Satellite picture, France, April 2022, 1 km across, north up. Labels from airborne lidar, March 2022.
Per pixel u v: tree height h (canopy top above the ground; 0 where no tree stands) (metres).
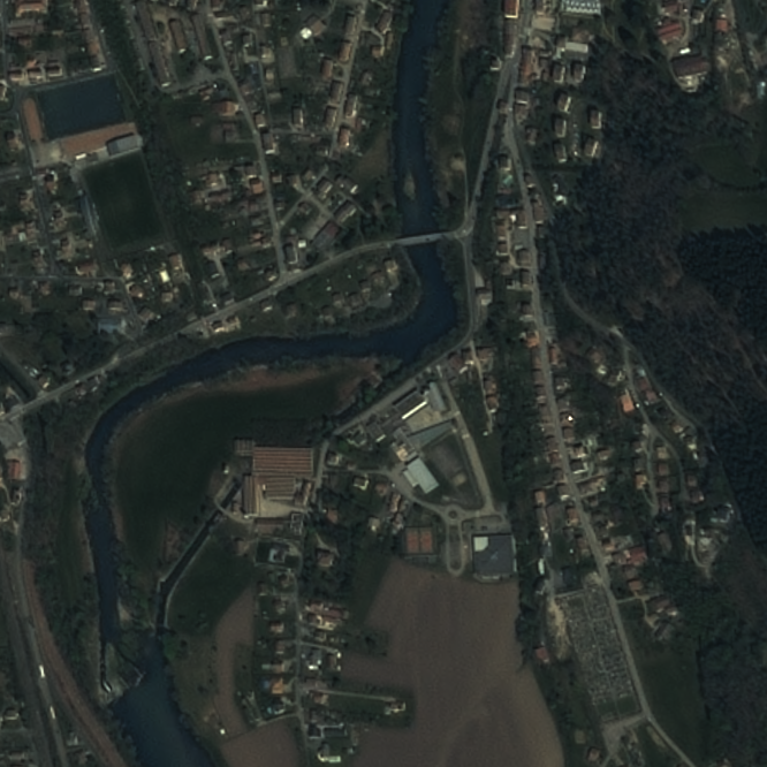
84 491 0
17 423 0
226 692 0
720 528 0
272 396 0
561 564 0
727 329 22
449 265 19
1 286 0
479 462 0
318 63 0
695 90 0
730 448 37
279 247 0
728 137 10
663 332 32
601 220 21
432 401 0
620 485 6
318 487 0
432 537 0
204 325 0
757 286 29
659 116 25
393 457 0
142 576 20
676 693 0
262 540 0
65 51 0
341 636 0
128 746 20
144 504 0
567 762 0
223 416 0
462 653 0
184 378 0
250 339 0
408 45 0
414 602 0
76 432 18
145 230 0
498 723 0
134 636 0
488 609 0
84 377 9
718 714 24
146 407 22
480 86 18
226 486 0
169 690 0
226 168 0
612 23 26
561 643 0
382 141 0
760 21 0
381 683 0
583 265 25
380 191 9
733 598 21
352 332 18
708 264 26
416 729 0
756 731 30
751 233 0
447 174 0
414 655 0
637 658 0
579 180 0
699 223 0
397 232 17
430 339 0
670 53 0
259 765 0
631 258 29
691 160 15
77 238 0
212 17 0
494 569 0
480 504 0
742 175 0
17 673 6
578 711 0
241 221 0
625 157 26
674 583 16
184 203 14
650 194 27
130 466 0
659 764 0
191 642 0
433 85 12
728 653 28
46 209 0
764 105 0
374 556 13
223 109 0
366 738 0
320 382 0
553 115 0
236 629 0
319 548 0
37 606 0
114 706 0
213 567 0
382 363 17
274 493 0
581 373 20
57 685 0
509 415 6
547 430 0
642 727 0
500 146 0
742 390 22
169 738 0
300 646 0
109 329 0
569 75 0
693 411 28
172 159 9
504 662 0
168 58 0
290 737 0
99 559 0
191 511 0
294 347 0
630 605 0
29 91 0
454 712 0
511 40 0
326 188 0
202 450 0
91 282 0
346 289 0
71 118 0
